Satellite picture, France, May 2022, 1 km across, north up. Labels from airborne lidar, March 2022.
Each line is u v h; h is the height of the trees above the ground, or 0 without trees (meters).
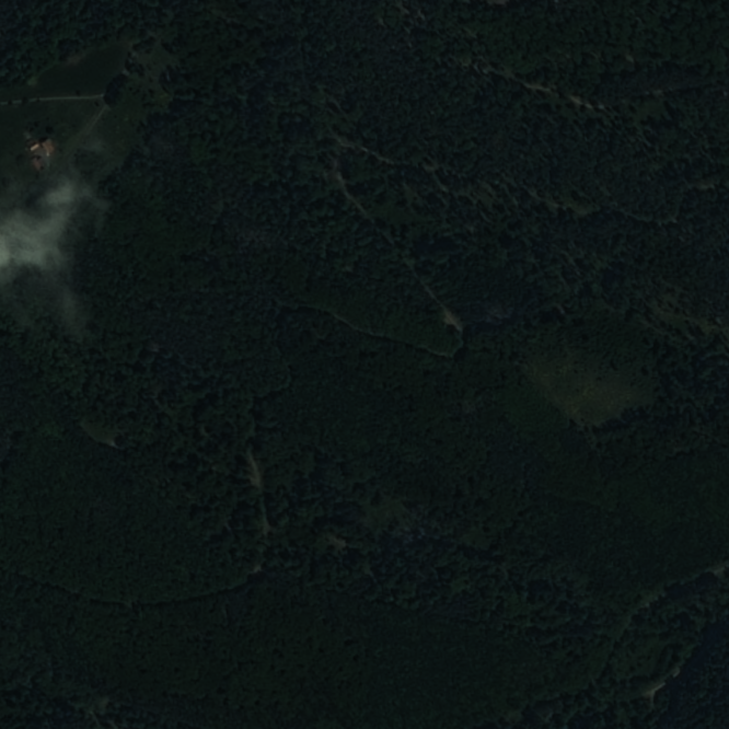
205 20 32
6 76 25
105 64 0
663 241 22
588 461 19
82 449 19
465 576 31
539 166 26
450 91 27
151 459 22
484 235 12
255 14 34
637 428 27
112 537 17
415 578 28
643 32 31
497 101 28
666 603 20
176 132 24
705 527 17
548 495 16
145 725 35
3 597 15
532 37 25
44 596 18
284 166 32
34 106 0
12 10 34
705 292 31
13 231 17
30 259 24
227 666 18
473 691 17
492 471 16
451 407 14
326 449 21
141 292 24
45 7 33
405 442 18
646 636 26
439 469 24
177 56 9
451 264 24
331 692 20
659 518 16
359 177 10
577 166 25
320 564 26
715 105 22
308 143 36
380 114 30
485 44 29
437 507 26
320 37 31
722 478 16
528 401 17
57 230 24
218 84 34
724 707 32
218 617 16
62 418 22
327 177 31
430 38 29
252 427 0
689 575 17
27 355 25
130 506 19
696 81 25
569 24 28
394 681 17
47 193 27
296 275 17
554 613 34
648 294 32
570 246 33
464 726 17
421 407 24
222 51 21
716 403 31
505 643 17
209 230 24
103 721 36
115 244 21
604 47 31
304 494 30
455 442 20
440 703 17
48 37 30
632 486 17
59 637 17
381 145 27
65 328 30
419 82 30
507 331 27
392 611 19
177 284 23
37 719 36
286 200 32
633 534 17
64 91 0
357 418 18
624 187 28
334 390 19
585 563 18
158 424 30
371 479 21
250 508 25
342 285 19
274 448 26
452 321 0
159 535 21
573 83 23
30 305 26
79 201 26
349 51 24
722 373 34
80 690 22
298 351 17
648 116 0
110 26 29
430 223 14
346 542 30
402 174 26
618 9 28
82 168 6
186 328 26
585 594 25
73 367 27
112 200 23
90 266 24
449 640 18
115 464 20
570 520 19
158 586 17
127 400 28
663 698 9
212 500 25
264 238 23
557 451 22
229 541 20
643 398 0
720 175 16
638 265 27
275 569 23
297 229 30
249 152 35
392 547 29
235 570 15
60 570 19
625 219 27
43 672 23
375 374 24
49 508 16
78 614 15
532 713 34
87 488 15
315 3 30
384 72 26
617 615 20
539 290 33
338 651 22
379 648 17
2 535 22
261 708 16
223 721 17
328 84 36
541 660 20
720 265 33
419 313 17
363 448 17
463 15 23
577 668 12
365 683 16
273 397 18
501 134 27
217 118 31
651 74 26
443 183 35
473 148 29
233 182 25
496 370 20
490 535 8
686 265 24
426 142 32
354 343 14
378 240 34
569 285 32
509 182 0
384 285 20
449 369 14
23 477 17
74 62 0
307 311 21
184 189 22
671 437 28
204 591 18
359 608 19
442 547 27
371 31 25
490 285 22
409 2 23
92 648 17
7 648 26
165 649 22
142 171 21
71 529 17
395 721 15
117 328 26
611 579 17
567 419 6
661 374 6
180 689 22
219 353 20
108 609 14
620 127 10
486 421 14
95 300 23
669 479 18
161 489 16
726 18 31
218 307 24
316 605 21
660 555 16
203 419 26
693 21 28
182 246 26
